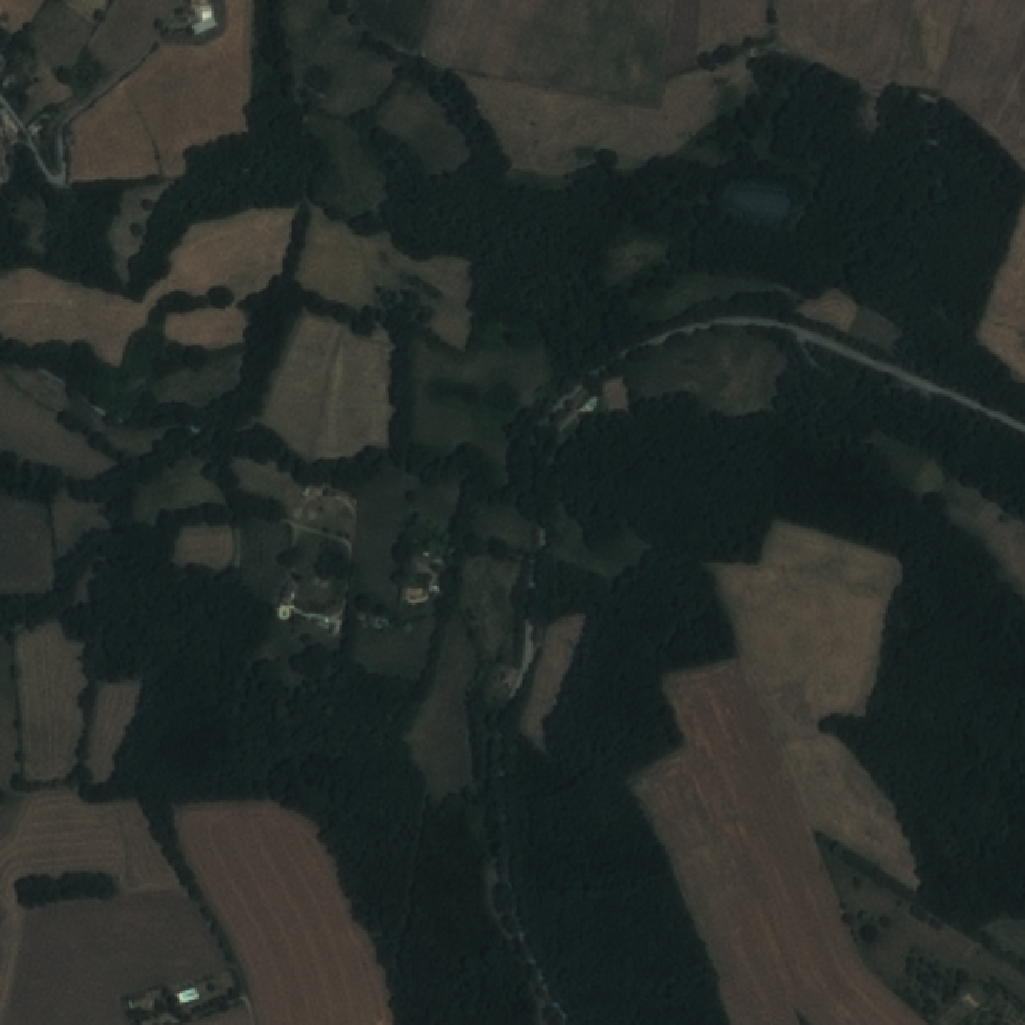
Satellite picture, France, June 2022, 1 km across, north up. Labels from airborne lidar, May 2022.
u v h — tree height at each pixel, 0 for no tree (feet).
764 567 0
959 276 54
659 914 48
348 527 0
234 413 78
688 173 55
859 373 26
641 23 0
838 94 52
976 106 0
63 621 42
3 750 0
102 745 0
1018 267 0
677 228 84
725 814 0
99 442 60
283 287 72
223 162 54
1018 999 51
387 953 46
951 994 20
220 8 0
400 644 0
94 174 0
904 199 65
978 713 89
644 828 26
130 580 74
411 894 21
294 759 40
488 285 56
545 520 76
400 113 0
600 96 0
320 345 0
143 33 0
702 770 0
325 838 56
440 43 0
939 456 27
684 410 88
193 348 37
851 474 47
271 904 0
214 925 27
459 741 0
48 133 22
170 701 62
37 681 0
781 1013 0
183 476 0
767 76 24
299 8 0
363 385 0
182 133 0
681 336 37
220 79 0
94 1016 0
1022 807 53
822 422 72
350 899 44
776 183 48
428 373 0
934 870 34
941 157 72
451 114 31
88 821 0
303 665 55
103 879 47
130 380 34
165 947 0
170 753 72
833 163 64
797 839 0
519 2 0
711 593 45
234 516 33
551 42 0
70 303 0
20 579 0
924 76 0
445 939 30
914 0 0
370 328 38
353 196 0
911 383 0
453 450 0
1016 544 0
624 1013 66
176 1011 37
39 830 0
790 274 74
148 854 0
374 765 57
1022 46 0
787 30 0
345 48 0
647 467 79
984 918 33
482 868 47
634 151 0
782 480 56
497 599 0
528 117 0
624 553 0
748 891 0
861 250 72
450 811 53
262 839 0
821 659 0
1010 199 35
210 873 0
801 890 0
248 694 47
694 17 0
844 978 0
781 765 0
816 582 0
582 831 56
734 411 0
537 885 28
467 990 64
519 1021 32
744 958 0
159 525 37
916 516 84
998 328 0
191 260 0
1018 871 41
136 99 0
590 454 77
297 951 0
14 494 45
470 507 64
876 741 63
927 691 75
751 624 0
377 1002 0
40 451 0
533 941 57
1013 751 98
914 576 73
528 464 65
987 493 52
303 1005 0
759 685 0
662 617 79
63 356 29
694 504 72
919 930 0
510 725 59
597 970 69
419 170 70
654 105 0
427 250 66
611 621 73
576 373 70
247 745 42
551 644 0
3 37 21
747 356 0
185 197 59
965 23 0
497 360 0
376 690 51
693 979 67
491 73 0
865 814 0
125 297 41
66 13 0
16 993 0
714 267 85
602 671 75
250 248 0
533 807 67
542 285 53
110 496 93
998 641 64
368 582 0
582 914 64
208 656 66
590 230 81
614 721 61
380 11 0
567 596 56
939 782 70
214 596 63
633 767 51
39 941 0
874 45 0
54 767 0
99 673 55
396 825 52
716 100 0
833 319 0
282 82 37
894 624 28
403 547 50
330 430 0
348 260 0
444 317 0
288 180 58
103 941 0
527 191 56
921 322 62
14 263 47
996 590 65
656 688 59
